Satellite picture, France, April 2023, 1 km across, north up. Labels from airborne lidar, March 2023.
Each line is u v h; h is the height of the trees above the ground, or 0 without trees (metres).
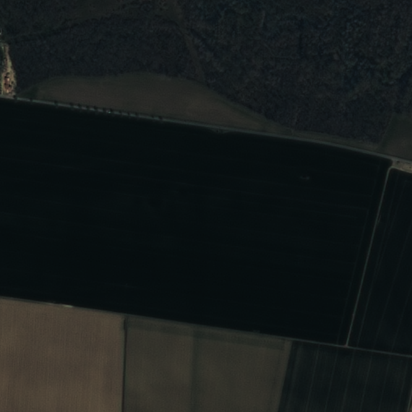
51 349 0
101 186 0
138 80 0
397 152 0
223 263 0
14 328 0
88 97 0
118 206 0
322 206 0
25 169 0
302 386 0
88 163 0
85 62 20
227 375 0
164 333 0
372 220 0
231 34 24
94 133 0
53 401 0
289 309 0
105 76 20
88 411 0
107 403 0
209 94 0
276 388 0
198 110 0
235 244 0
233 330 0
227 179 0
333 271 0
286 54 7
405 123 0
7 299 0
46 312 0
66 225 0
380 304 0
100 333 0
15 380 0
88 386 0
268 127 0
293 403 0
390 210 0
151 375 0
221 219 0
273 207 0
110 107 0
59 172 0
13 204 0
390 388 0
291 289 0
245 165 0
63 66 16
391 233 0
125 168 0
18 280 0
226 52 25
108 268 0
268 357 0
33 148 0
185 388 0
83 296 0
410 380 0
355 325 0
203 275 0
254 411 0
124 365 0
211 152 0
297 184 0
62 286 0
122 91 0
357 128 21
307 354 0
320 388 0
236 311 0
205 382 0
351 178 0
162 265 0
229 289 0
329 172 0
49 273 0
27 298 0
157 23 8
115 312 0
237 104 15
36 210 0
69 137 0
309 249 0
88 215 0
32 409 0
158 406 0
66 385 0
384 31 7
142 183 0
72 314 0
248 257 0
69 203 0
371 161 0
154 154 0
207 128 0
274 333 0
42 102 0
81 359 0
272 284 0
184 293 0
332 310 0
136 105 0
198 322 0
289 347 0
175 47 8
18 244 0
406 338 0
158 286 0
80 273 0
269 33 16
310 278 0
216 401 0
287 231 0
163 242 0
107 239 0
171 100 0
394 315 0
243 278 0
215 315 0
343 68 22
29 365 0
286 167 0
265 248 0
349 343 0
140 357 0
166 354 0
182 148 0
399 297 0
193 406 0
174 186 0
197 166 0
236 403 0
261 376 0
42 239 0
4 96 0
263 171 0
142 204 0
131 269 0
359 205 0
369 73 30
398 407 0
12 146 0
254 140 0
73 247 0
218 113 0
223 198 0
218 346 0
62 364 0
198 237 0
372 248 0
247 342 0
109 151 0
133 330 0
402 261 0
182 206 0
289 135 0
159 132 0
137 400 0
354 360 0
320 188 0
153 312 0
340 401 0
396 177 0
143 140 0
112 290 0
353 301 0
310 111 20
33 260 0
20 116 0
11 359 0
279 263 0
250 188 0
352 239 0
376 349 0
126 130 0
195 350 0
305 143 0
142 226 0
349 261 0
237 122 0
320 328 0
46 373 0
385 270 0
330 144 0
